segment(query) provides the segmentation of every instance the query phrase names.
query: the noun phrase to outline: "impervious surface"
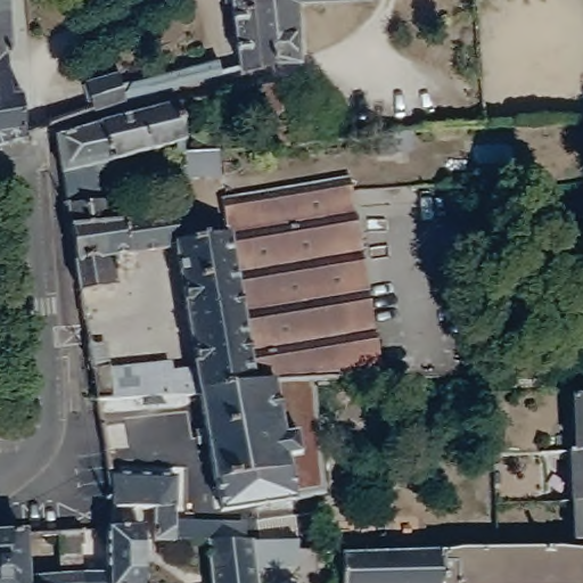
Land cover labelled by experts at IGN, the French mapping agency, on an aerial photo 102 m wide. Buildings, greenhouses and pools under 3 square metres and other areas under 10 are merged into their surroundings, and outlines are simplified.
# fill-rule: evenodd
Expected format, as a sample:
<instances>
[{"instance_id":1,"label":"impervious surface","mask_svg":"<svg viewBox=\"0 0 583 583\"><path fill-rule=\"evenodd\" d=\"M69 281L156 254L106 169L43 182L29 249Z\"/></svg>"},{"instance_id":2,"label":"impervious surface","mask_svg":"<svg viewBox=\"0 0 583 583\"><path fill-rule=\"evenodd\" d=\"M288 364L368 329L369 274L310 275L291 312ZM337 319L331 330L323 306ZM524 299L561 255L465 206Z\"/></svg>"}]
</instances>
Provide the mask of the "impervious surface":
<instances>
[{"instance_id":1,"label":"impervious surface","mask_svg":"<svg viewBox=\"0 0 583 583\"><path fill-rule=\"evenodd\" d=\"M123 184L125 178L166 180L184 171L180 164L166 159L162 148L123 157L100 169L100 187L112 194L112 189Z\"/></svg>"},{"instance_id":2,"label":"impervious surface","mask_svg":"<svg viewBox=\"0 0 583 583\"><path fill-rule=\"evenodd\" d=\"M207 48L214 50L212 61L219 61L221 66L239 64L239 43L235 30L237 14L232 0L196 0L196 14L205 23L203 41L203 43L205 43L205 48Z\"/></svg>"},{"instance_id":3,"label":"impervious surface","mask_svg":"<svg viewBox=\"0 0 583 583\"><path fill-rule=\"evenodd\" d=\"M364 239L364 246L360 251L364 255L362 262L367 264L367 276L371 280L364 287L364 292L371 292L367 301L373 303L371 330L378 330L373 339L383 346L376 362L383 371L392 369L394 373L405 376L405 371L410 369L419 371L421 376L435 378L435 383L451 383L453 378L462 378L469 371L465 358L455 358L453 353L458 337L449 321L446 307L440 303L444 298L446 280L451 278L446 269L446 255L458 237L485 232L494 223L496 205L492 194L499 187L499 171L503 164L499 164L487 175L485 194L478 196L478 205L474 210L465 210L451 200L446 191L430 191L433 184L430 182L417 187L362 191L353 189L353 212L358 212L360 221L367 221L358 230L358 235Z\"/></svg>"},{"instance_id":4,"label":"impervious surface","mask_svg":"<svg viewBox=\"0 0 583 583\"><path fill-rule=\"evenodd\" d=\"M273 563L264 572L264 583L328 583L326 574L321 572L323 567L317 553L307 549L303 549L301 556L292 560L285 569L280 569Z\"/></svg>"},{"instance_id":5,"label":"impervious surface","mask_svg":"<svg viewBox=\"0 0 583 583\"><path fill-rule=\"evenodd\" d=\"M32 553L36 556L34 578L41 578L41 572L57 569L98 567L102 572L109 572L109 524L125 522L132 512L128 508L116 508L112 501L107 501L107 494L114 492L112 483L116 481L116 476L125 469L134 474L164 474L173 467L184 467L187 492L184 512L180 515L180 519L216 519L221 528L232 528L232 537L301 542L301 528L294 508L235 512L225 510L225 501L219 492L219 483L214 481L212 471L203 405L194 396L189 405L157 412L100 410L98 378L93 371L89 344L105 339L109 344L109 355L116 367L166 360L175 367L189 369L191 364L196 364L198 348L196 339L189 332L184 298L187 289L196 285L182 276L182 262L178 260L178 253L171 248L166 248L166 253L159 246L143 251L121 251L116 285L121 287L121 292L107 294L98 303L84 305L75 269L77 235L73 221L89 219L89 210L71 212L66 207L66 175L57 134L61 130L109 114L123 114L137 107L166 100L178 114L184 114L194 107L194 98L214 98L214 91L219 91L221 87L232 89L241 91L244 98L253 105L266 100L266 96L262 93L262 84L273 82L282 82L285 77L294 75L298 64L278 64L276 68L257 71L253 75L219 75L200 82L198 87L166 89L137 96L121 105L57 123L50 130L41 128L46 121L89 105L80 96L82 87L75 80L64 77L57 64L57 59L50 55L48 43L39 41L27 32L23 0L11 0L14 46L9 64L18 80L18 87L25 93L27 107L32 107L27 116L27 125L32 128L32 146L16 143L7 153L0 150L0 180L9 180L16 173L39 196L39 212L32 221L32 260L27 262L27 266L36 269L39 287L30 298L25 298L25 312L34 310L48 321L46 332L39 332L39 339L43 339L46 351L36 358L36 364L41 364L48 373L48 389L39 399L41 408L46 410L43 426L36 430L32 440L23 444L9 444L0 437L0 524L30 526L34 531L30 537ZM82 551L87 553L87 558L77 565L61 565L61 531L68 528L87 528L82 542Z\"/></svg>"},{"instance_id":6,"label":"impervious surface","mask_svg":"<svg viewBox=\"0 0 583 583\"><path fill-rule=\"evenodd\" d=\"M178 583L200 583L198 572L187 572L182 567L166 563L155 551L155 544L146 540L146 565L159 565Z\"/></svg>"},{"instance_id":7,"label":"impervious surface","mask_svg":"<svg viewBox=\"0 0 583 583\"><path fill-rule=\"evenodd\" d=\"M269 180L262 171L255 171L255 175L237 175L235 171L221 173L191 180L198 200L225 216L225 207L237 203L346 187L348 173L344 169L285 180Z\"/></svg>"}]
</instances>

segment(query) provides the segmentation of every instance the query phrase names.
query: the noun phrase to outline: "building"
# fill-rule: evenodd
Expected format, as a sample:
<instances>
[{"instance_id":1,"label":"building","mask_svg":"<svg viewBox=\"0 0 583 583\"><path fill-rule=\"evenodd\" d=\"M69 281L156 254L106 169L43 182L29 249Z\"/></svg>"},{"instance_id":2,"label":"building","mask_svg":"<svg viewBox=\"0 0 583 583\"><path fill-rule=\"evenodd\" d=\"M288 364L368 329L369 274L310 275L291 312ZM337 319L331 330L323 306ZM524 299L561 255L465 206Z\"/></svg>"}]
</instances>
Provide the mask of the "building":
<instances>
[{"instance_id":1,"label":"building","mask_svg":"<svg viewBox=\"0 0 583 583\"><path fill-rule=\"evenodd\" d=\"M344 583L583 583L583 544L528 542L455 547L355 547L344 549Z\"/></svg>"},{"instance_id":2,"label":"building","mask_svg":"<svg viewBox=\"0 0 583 583\"><path fill-rule=\"evenodd\" d=\"M0 150L7 153L16 143L32 146L32 128L27 125L27 116L32 107L27 107L25 93L18 87L18 80L9 64L14 46L11 0L0 0Z\"/></svg>"},{"instance_id":3,"label":"building","mask_svg":"<svg viewBox=\"0 0 583 583\"><path fill-rule=\"evenodd\" d=\"M87 528L68 528L61 531L61 565L77 565L87 558L87 553L82 551L82 542Z\"/></svg>"},{"instance_id":4,"label":"building","mask_svg":"<svg viewBox=\"0 0 583 583\"><path fill-rule=\"evenodd\" d=\"M109 344L105 339L89 344L93 371L98 378L100 410L157 412L189 405L194 396L203 405L212 471L214 481L219 483L219 492L225 501L225 510L235 512L294 508L296 501L321 496L330 490L335 465L332 458L323 458L312 433L312 421L319 417L319 387L328 385L330 380L337 380L342 369L362 362L376 362L383 346L373 339L378 330L371 330L373 303L367 301L371 292L364 292L364 287L371 280L367 276L367 264L362 262L364 255L360 251L364 246L364 239L358 235L358 230L367 221L360 221L358 212L353 212L353 189L346 187L237 203L225 207L225 216L198 200L194 203L187 216L178 221L157 223L130 221L125 214L107 207L105 198L109 198L112 194L100 187L100 169L123 157L162 148L166 159L180 164L184 171L191 180L221 173L221 150L203 148L187 148L187 130L184 114L178 114L166 100L137 107L123 114L109 114L61 130L57 134L66 175L66 207L71 212L89 210L89 219L73 221L77 235L75 269L84 305L98 303L107 294L121 292L121 287L116 285L121 251L143 251L159 246L166 253L166 248L171 248L178 253L178 260L182 262L182 276L196 285L187 289L184 298L189 332L196 339L198 348L196 364L191 364L189 369L175 367L166 360L116 367L109 355Z\"/></svg>"},{"instance_id":5,"label":"building","mask_svg":"<svg viewBox=\"0 0 583 583\"><path fill-rule=\"evenodd\" d=\"M36 556L32 553L30 537L34 531L30 526L0 524L0 583L148 583L146 565L146 540L155 544L178 540L178 535L212 537L216 558L210 560L212 583L264 583L264 572L273 563L280 569L285 569L292 560L301 556L303 549L301 542L232 537L232 528L221 528L216 519L180 519L180 515L184 512L187 492L184 467L173 467L164 474L134 474L125 469L116 476L116 481L112 483L114 492L107 494L107 501L112 501L116 508L128 508L132 512L125 522L109 524L109 572L102 572L98 567L57 569L41 572L41 578L34 578Z\"/></svg>"},{"instance_id":6,"label":"building","mask_svg":"<svg viewBox=\"0 0 583 583\"><path fill-rule=\"evenodd\" d=\"M576 444L572 446L572 474L574 508L574 531L576 537L583 537L583 389L574 394Z\"/></svg>"},{"instance_id":7,"label":"building","mask_svg":"<svg viewBox=\"0 0 583 583\"><path fill-rule=\"evenodd\" d=\"M305 0L232 0L237 14L235 30L239 43L239 64L221 66L219 61L212 61L169 73L148 80L143 80L139 73L116 73L96 77L82 87L80 96L89 105L46 121L41 128L50 130L57 123L121 105L137 96L166 89L198 87L200 82L219 75L253 75L257 71L276 68L278 64L298 64L314 61L314 59L307 52L303 52L301 43L301 2Z\"/></svg>"}]
</instances>

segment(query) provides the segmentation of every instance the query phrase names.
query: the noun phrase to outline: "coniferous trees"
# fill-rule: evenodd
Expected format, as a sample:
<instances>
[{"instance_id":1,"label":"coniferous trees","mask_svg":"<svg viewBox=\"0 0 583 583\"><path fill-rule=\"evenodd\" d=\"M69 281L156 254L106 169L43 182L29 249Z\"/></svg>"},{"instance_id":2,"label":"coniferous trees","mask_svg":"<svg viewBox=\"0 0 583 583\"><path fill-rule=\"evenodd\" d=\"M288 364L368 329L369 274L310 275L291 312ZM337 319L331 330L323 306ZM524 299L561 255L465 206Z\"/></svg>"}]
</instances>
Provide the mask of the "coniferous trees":
<instances>
[{"instance_id":1,"label":"coniferous trees","mask_svg":"<svg viewBox=\"0 0 583 583\"><path fill-rule=\"evenodd\" d=\"M237 137L239 146L248 146L251 155L273 155L280 146L278 128L280 123L285 123L285 114L276 114L266 100L253 105L230 125L230 132Z\"/></svg>"}]
</instances>

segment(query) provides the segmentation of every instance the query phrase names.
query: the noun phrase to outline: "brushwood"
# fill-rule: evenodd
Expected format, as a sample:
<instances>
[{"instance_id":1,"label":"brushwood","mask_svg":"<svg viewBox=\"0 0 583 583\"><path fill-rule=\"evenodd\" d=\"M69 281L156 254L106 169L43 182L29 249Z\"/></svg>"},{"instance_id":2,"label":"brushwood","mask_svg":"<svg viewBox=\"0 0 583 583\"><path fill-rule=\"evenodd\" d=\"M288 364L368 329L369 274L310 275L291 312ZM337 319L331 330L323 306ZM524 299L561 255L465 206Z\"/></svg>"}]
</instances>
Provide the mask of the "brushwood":
<instances>
[{"instance_id":1,"label":"brushwood","mask_svg":"<svg viewBox=\"0 0 583 583\"><path fill-rule=\"evenodd\" d=\"M474 11L476 0L460 0L453 9L440 9L444 18Z\"/></svg>"},{"instance_id":2,"label":"brushwood","mask_svg":"<svg viewBox=\"0 0 583 583\"><path fill-rule=\"evenodd\" d=\"M572 112L531 112L517 116L471 121L424 121L410 128L414 137L435 134L440 141L453 141L462 139L467 132L478 130L503 128L517 132L519 128L560 123L560 128L565 130L569 125L576 125L581 118Z\"/></svg>"},{"instance_id":3,"label":"brushwood","mask_svg":"<svg viewBox=\"0 0 583 583\"><path fill-rule=\"evenodd\" d=\"M556 517L560 517L560 508L565 508L565 503L574 508L572 474L563 478L563 492L549 492L540 496L503 496L496 490L496 471L490 471L490 476L490 524L496 524L499 512L512 508L522 508L522 512L526 515L524 519L533 522L533 503L542 503L547 512L553 512Z\"/></svg>"}]
</instances>

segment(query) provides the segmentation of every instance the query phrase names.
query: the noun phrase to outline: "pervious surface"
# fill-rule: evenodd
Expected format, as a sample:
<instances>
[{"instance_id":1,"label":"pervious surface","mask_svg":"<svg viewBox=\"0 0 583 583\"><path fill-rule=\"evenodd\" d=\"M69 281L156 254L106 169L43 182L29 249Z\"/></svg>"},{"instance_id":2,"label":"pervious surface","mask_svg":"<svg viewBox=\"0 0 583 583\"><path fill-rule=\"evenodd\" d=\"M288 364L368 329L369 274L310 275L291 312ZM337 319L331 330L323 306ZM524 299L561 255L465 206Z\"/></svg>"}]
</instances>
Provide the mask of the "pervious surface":
<instances>
[{"instance_id":1,"label":"pervious surface","mask_svg":"<svg viewBox=\"0 0 583 583\"><path fill-rule=\"evenodd\" d=\"M344 96L351 96L346 118L353 123L355 130L364 130L371 125L385 125L387 130L394 130L410 128L424 121L471 121L517 116L531 112L572 112L581 118L583 118L583 0L490 0L490 7L478 16L481 48L483 68L483 105L433 107L433 100L430 96L426 96L424 87L428 75L401 52L392 48L389 36L387 23L399 0L378 0L378 7L360 25L355 34L323 52L317 52L314 59L314 61Z\"/></svg>"}]
</instances>

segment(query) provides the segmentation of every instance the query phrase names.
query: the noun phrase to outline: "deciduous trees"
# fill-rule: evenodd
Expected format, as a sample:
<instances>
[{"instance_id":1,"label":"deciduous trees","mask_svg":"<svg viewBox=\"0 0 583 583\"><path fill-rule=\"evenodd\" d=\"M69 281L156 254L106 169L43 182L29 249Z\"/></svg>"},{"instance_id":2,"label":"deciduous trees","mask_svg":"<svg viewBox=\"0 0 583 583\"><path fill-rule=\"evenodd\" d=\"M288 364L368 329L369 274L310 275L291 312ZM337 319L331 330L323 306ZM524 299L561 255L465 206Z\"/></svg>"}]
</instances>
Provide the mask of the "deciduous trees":
<instances>
[{"instance_id":1,"label":"deciduous trees","mask_svg":"<svg viewBox=\"0 0 583 583\"><path fill-rule=\"evenodd\" d=\"M219 91L214 91L214 98L194 98L194 107L184 114L187 130L203 130L210 134L210 141L205 141L203 148L221 150L239 146L237 137L230 132L230 125L221 118L221 112L232 89L221 87Z\"/></svg>"},{"instance_id":2,"label":"deciduous trees","mask_svg":"<svg viewBox=\"0 0 583 583\"><path fill-rule=\"evenodd\" d=\"M351 96L344 96L314 61L298 64L294 75L285 77L282 82L273 82L273 91L278 100L285 105L285 114L285 123L280 123L278 128L280 146L273 155L303 159L310 153L332 155L339 150L394 153L401 141L394 137L394 130L387 130L385 125L371 125L364 130L355 130L353 123L346 118Z\"/></svg>"},{"instance_id":3,"label":"deciduous trees","mask_svg":"<svg viewBox=\"0 0 583 583\"><path fill-rule=\"evenodd\" d=\"M157 7L157 11L143 14L134 27L123 30L114 36L100 36L98 41L87 43L82 50L73 50L73 59L61 59L57 64L64 77L75 80L82 87L96 77L116 73L139 73L143 80L148 80L169 73L166 66L175 61L175 55L171 50L162 48L153 61L134 55L132 61L123 61L121 52L134 52L143 36L162 36L173 20L187 23L194 20L196 14L196 0L166 0Z\"/></svg>"},{"instance_id":4,"label":"deciduous trees","mask_svg":"<svg viewBox=\"0 0 583 583\"><path fill-rule=\"evenodd\" d=\"M455 41L451 64L462 80L483 68L481 48L476 43Z\"/></svg>"},{"instance_id":5,"label":"deciduous trees","mask_svg":"<svg viewBox=\"0 0 583 583\"><path fill-rule=\"evenodd\" d=\"M34 310L25 312L25 298L30 298L39 287L36 269L27 266L27 262L32 260L32 221L39 212L39 196L16 173L9 180L0 180L0 437L9 444L23 444L32 440L36 430L43 426L46 410L41 408L39 399L48 389L48 373L41 364L36 364L36 358L46 351L43 339L39 339L39 332L46 332L48 321Z\"/></svg>"},{"instance_id":6,"label":"deciduous trees","mask_svg":"<svg viewBox=\"0 0 583 583\"><path fill-rule=\"evenodd\" d=\"M178 535L178 540L155 544L155 551L166 563L182 567L189 563L189 558L198 560L198 551L203 544L210 544L210 560L216 558L212 537Z\"/></svg>"},{"instance_id":7,"label":"deciduous trees","mask_svg":"<svg viewBox=\"0 0 583 583\"><path fill-rule=\"evenodd\" d=\"M93 30L96 25L125 18L130 14L130 7L141 0L32 0L43 7L57 7L57 11L64 16L61 25L73 34L82 34Z\"/></svg>"},{"instance_id":8,"label":"deciduous trees","mask_svg":"<svg viewBox=\"0 0 583 583\"><path fill-rule=\"evenodd\" d=\"M319 501L317 512L312 515L312 542L307 549L317 553L323 567L335 560L335 553L339 551L346 533L332 522L332 512L328 510L328 506Z\"/></svg>"},{"instance_id":9,"label":"deciduous trees","mask_svg":"<svg viewBox=\"0 0 583 583\"><path fill-rule=\"evenodd\" d=\"M421 39L414 16L401 20L399 32L392 32L389 36L392 48L401 52L412 41Z\"/></svg>"},{"instance_id":10,"label":"deciduous trees","mask_svg":"<svg viewBox=\"0 0 583 583\"><path fill-rule=\"evenodd\" d=\"M417 499L426 508L435 512L455 512L460 508L460 501L444 469L453 462L458 471L465 476L490 476L490 471L496 471L496 465L506 465L512 476L524 476L517 458L501 458L499 453L506 446L508 417L501 412L499 405L506 401L512 405L517 403L522 394L519 378L533 378L533 383L540 380L547 389L558 392L558 387L569 378L583 376L583 230L578 230L576 214L563 203L563 196L572 191L567 180L553 180L551 173L544 171L544 166L537 162L533 164L533 169L528 164L517 164L515 159L503 164L499 171L499 187L492 194L496 205L494 223L485 232L458 237L446 255L446 269L451 278L446 280L444 298L440 303L446 307L449 321L458 337L453 353L455 358L465 358L469 371L462 378L453 378L451 383L435 383L435 378L421 376L419 371L410 369L405 371L405 376L394 373L392 369L383 371L376 362L362 362L342 369L337 380L330 380L328 385L319 387L319 417L312 421L312 433L323 458L332 458L335 465L353 474L353 481L346 487L346 503L339 506L342 515L351 524L373 524L378 531L389 531L387 522L396 517L394 485L405 485L417 494ZM389 437L383 442L383 446L376 449L371 444L346 444L346 421L337 419L339 392L346 392L360 405L360 412L378 410L383 414L383 419L389 424Z\"/></svg>"},{"instance_id":11,"label":"deciduous trees","mask_svg":"<svg viewBox=\"0 0 583 583\"><path fill-rule=\"evenodd\" d=\"M180 57L203 57L207 48L205 48L205 43L203 43L203 41L194 41L194 43L184 46L184 48L180 50Z\"/></svg>"},{"instance_id":12,"label":"deciduous trees","mask_svg":"<svg viewBox=\"0 0 583 583\"><path fill-rule=\"evenodd\" d=\"M478 196L474 187L460 184L455 180L442 180L433 184L430 191L446 191L451 200L465 210L474 210L478 205Z\"/></svg>"},{"instance_id":13,"label":"deciduous trees","mask_svg":"<svg viewBox=\"0 0 583 583\"><path fill-rule=\"evenodd\" d=\"M112 189L112 194L109 198L105 198L107 207L125 214L130 221L157 223L178 221L187 216L194 203L198 200L191 180L184 171L166 180L125 178L123 184Z\"/></svg>"}]
</instances>

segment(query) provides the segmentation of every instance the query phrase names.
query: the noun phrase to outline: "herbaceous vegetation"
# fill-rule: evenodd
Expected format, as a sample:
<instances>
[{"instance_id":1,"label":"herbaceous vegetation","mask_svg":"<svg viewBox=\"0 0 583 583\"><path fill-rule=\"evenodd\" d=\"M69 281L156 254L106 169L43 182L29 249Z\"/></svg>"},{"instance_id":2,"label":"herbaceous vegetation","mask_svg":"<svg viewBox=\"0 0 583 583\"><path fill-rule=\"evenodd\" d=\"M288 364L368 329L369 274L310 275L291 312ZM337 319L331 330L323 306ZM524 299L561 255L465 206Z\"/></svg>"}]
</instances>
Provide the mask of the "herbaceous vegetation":
<instances>
[{"instance_id":1,"label":"herbaceous vegetation","mask_svg":"<svg viewBox=\"0 0 583 583\"><path fill-rule=\"evenodd\" d=\"M210 141L210 134L203 130L187 130L187 148L203 148L205 141Z\"/></svg>"},{"instance_id":2,"label":"herbaceous vegetation","mask_svg":"<svg viewBox=\"0 0 583 583\"><path fill-rule=\"evenodd\" d=\"M184 46L194 43L194 41L203 41L205 23L196 14L194 20L187 23L173 20L162 36L143 36L134 52L121 52L123 61L132 61L134 55L153 61L162 48L171 50L175 55L175 61L166 66L169 73L212 61L214 50L207 48L203 57L180 57L180 50L184 48Z\"/></svg>"},{"instance_id":3,"label":"herbaceous vegetation","mask_svg":"<svg viewBox=\"0 0 583 583\"><path fill-rule=\"evenodd\" d=\"M159 565L146 565L148 583L178 583Z\"/></svg>"},{"instance_id":4,"label":"herbaceous vegetation","mask_svg":"<svg viewBox=\"0 0 583 583\"><path fill-rule=\"evenodd\" d=\"M378 7L378 0L305 0L301 2L301 43L303 52L307 52L314 59L317 52L323 52L355 34L360 25Z\"/></svg>"},{"instance_id":5,"label":"herbaceous vegetation","mask_svg":"<svg viewBox=\"0 0 583 583\"><path fill-rule=\"evenodd\" d=\"M232 89L221 112L221 118L230 125L253 105L244 98L241 91Z\"/></svg>"},{"instance_id":6,"label":"herbaceous vegetation","mask_svg":"<svg viewBox=\"0 0 583 583\"><path fill-rule=\"evenodd\" d=\"M455 41L476 43L481 48L478 16L490 7L490 0L476 0L474 11L444 18L440 9L453 9L460 0L399 0L387 23L389 36L392 32L399 32L401 20L414 16L421 39L412 41L401 52L428 75L424 87L426 96L430 96L433 100L433 107L483 105L483 68L462 80L451 64Z\"/></svg>"},{"instance_id":7,"label":"herbaceous vegetation","mask_svg":"<svg viewBox=\"0 0 583 583\"><path fill-rule=\"evenodd\" d=\"M189 563L182 567L187 572L198 572L200 583L212 583L210 560L210 544L203 544L198 551L198 560L189 558Z\"/></svg>"},{"instance_id":8,"label":"herbaceous vegetation","mask_svg":"<svg viewBox=\"0 0 583 583\"><path fill-rule=\"evenodd\" d=\"M346 392L339 392L337 419L346 421L346 444L371 444L376 449L383 446L383 442L389 437L389 424L383 419L383 414L378 410L360 412L360 405Z\"/></svg>"},{"instance_id":9,"label":"herbaceous vegetation","mask_svg":"<svg viewBox=\"0 0 583 583\"><path fill-rule=\"evenodd\" d=\"M576 537L574 531L574 508L565 503L565 508L560 508L560 517L556 517L553 512L547 512L542 503L533 503L533 522L524 519L526 515L522 512L522 508L512 508L499 512L496 524L490 524L490 476L465 476L458 471L453 462L444 469L460 501L460 508L455 512L435 512L426 508L417 499L417 494L405 485L394 485L396 517L387 522L389 531L378 531L373 524L351 524L342 515L339 506L346 503L346 487L353 481L353 474L335 465L330 490L321 496L296 501L294 508L301 528L301 542L303 549L307 549L312 542L312 515L317 512L319 501L328 506L328 510L332 512L332 522L346 533L339 551L335 553L335 560L323 567L321 572L326 574L328 583L344 583L344 549L355 547L455 547L528 542L583 544L583 537Z\"/></svg>"},{"instance_id":10,"label":"herbaceous vegetation","mask_svg":"<svg viewBox=\"0 0 583 583\"><path fill-rule=\"evenodd\" d=\"M143 14L157 11L157 7L166 0L141 0L130 7L130 14L125 18L96 25L93 30L82 34L73 34L61 25L64 16L57 11L57 7L43 7L32 0L23 0L27 32L39 41L48 43L50 55L57 59L57 64L61 59L73 59L73 50L82 50L87 43L98 41L100 36L114 36L123 30L134 27Z\"/></svg>"},{"instance_id":11,"label":"herbaceous vegetation","mask_svg":"<svg viewBox=\"0 0 583 583\"><path fill-rule=\"evenodd\" d=\"M533 378L519 378L522 394L517 403L512 405L506 401L499 405L501 412L508 417L506 446L499 453L501 458L517 458L524 476L512 476L506 465L496 465L496 471L496 490L503 496L540 496L549 492L563 492L563 478L572 474L572 446L576 444L574 394L583 389L583 376L569 378L558 387L558 392L547 389L540 380L533 383Z\"/></svg>"},{"instance_id":12,"label":"herbaceous vegetation","mask_svg":"<svg viewBox=\"0 0 583 583\"><path fill-rule=\"evenodd\" d=\"M266 100L276 114L285 114L285 105L278 100L273 91L273 82L262 84L262 93L266 96Z\"/></svg>"},{"instance_id":13,"label":"herbaceous vegetation","mask_svg":"<svg viewBox=\"0 0 583 583\"><path fill-rule=\"evenodd\" d=\"M519 128L517 132L503 128L478 130L467 132L462 139L453 141L440 141L435 134L414 137L410 128L394 130L394 137L401 141L394 153L339 150L332 155L310 153L303 159L273 155L251 155L248 146L239 146L221 150L221 173L235 171L237 175L255 175L255 171L262 171L269 180L285 180L344 169L348 173L346 187L353 189L362 191L417 187L430 182L433 184L442 180L455 180L460 184L474 187L478 196L485 194L487 175L499 164L503 164L515 159L517 164L528 164L533 169L533 164L537 162L544 166L544 171L551 173L553 180L567 180L572 191L563 196L563 203L576 214L578 230L583 230L583 118L581 118L576 125L569 125L565 130L560 128L560 123Z\"/></svg>"}]
</instances>

